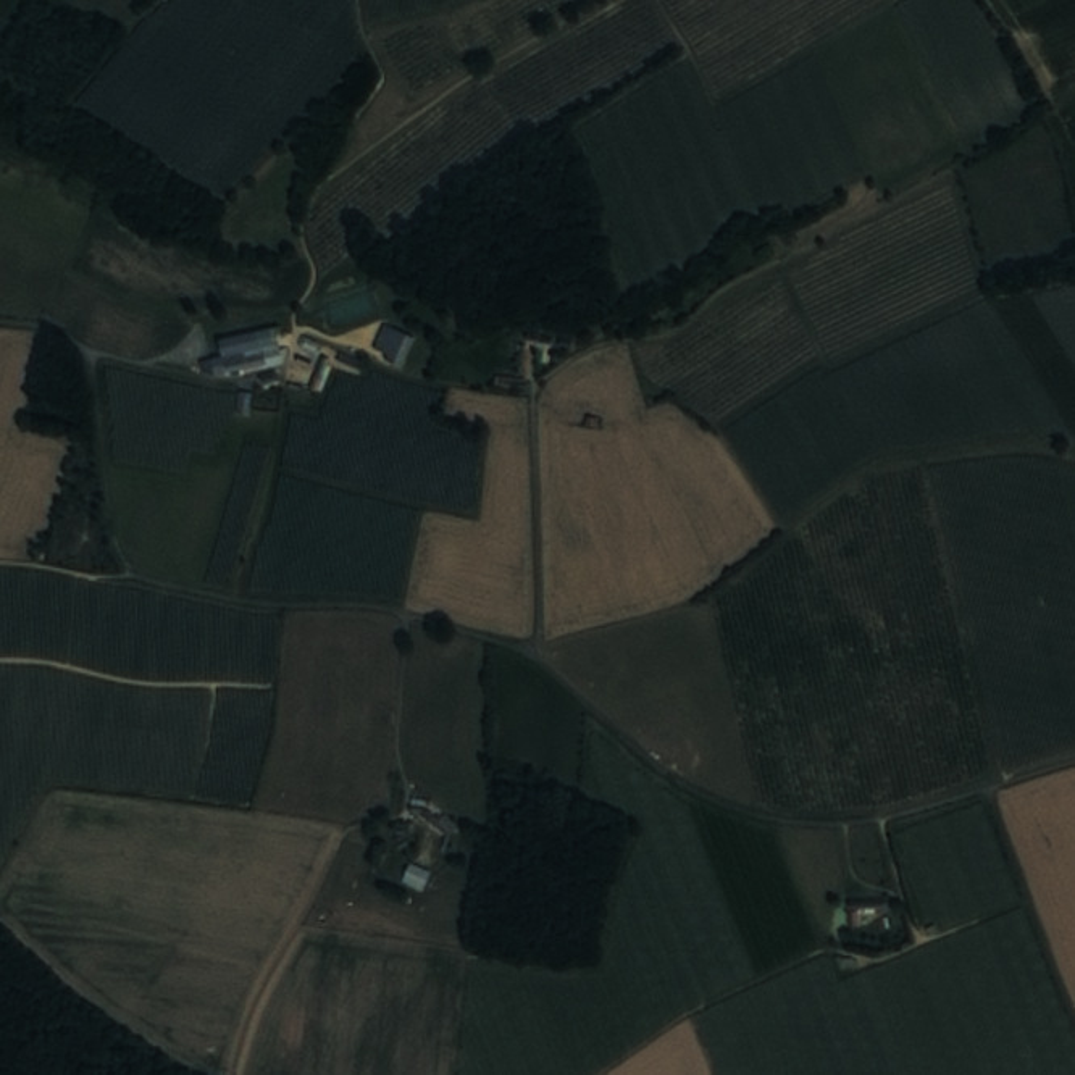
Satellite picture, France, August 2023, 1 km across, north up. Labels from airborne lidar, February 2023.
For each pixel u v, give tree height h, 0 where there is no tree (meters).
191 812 0
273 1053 0
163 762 0
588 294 15
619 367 0
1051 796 0
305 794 0
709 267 19
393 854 0
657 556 0
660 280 14
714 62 0
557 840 20
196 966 0
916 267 0
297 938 0
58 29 16
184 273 0
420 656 0
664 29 0
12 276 0
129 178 18
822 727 0
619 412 0
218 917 0
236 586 0
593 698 0
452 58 0
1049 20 0
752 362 0
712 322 0
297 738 0
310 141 25
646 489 0
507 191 21
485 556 0
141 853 0
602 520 0
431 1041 0
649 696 0
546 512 0
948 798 0
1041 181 0
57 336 21
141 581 0
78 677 0
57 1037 20
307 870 0
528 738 0
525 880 19
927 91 0
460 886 0
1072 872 0
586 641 0
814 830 0
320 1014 0
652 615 0
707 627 0
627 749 0
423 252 25
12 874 0
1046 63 0
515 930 18
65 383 16
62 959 0
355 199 0
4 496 0
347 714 0
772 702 0
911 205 0
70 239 0
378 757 0
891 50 0
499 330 23
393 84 0
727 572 8
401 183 0
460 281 25
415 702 0
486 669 7
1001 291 16
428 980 0
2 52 14
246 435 0
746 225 15
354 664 0
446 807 0
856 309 0
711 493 0
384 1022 0
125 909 0
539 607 0
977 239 11
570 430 0
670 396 8
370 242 22
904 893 9
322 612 0
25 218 0
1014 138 8
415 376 0
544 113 0
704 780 0
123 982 0
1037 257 0
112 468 0
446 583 0
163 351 0
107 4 0
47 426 18
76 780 0
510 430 0
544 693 0
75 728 0
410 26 0
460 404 0
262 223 0
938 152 0
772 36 0
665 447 0
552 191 19
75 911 0
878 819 0
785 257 0
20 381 0
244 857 0
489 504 0
